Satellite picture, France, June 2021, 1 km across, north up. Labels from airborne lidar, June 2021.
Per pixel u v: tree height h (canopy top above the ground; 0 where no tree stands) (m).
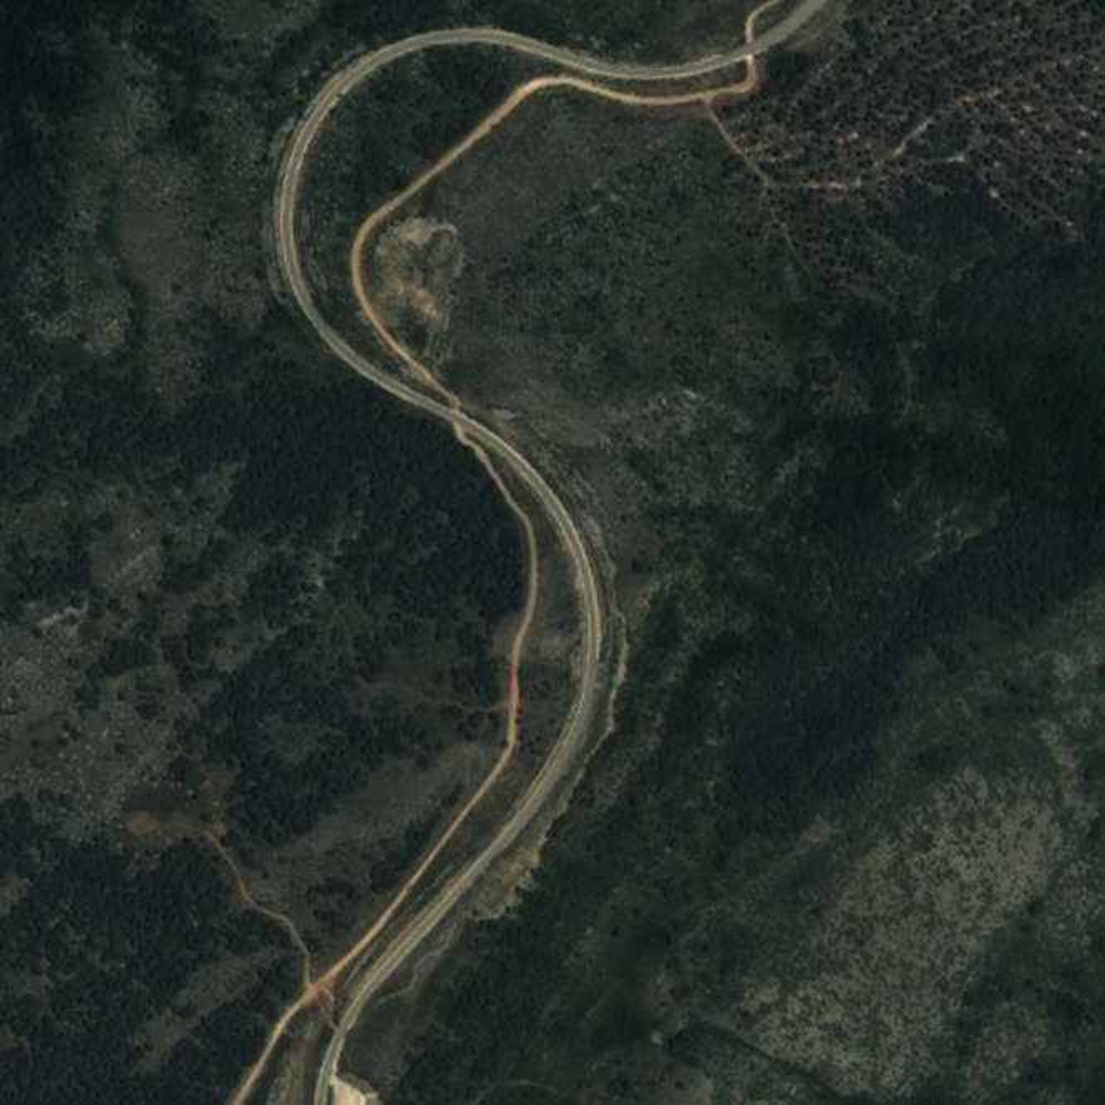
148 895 9
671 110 0
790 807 8
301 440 9
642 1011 0
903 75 11
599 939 0
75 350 0
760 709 7
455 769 0
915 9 11
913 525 7
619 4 0
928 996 0
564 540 0
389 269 0
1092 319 12
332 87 0
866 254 6
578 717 0
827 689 14
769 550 6
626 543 0
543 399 0
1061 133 15
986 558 8
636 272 0
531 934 7
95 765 0
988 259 9
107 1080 10
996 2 11
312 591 6
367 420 13
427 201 0
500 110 0
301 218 0
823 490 13
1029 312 6
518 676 0
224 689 7
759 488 6
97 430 9
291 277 0
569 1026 0
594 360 0
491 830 0
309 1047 0
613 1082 6
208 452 9
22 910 8
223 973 0
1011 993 11
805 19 0
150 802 0
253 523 7
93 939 10
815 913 9
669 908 0
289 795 8
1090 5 10
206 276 0
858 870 0
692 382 6
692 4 0
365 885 0
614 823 7
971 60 12
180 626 0
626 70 0
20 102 7
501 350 0
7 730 0
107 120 0
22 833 8
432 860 0
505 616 7
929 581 12
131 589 0
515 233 0
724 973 10
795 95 11
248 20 0
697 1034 7
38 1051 9
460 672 7
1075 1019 10
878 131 13
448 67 8
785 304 6
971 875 0
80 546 7
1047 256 6
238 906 0
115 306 0
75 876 9
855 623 8
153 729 0
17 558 8
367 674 8
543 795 0
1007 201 11
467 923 0
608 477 0
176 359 0
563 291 0
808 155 12
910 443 10
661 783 7
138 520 0
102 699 0
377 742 7
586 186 0
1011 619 8
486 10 6
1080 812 0
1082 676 0
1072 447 13
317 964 0
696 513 9
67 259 0
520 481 0
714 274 0
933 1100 8
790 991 0
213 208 0
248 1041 10
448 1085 8
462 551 7
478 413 0
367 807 0
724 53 0
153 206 0
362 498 6
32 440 9
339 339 0
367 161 8
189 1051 10
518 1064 0
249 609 6
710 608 7
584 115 0
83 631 0
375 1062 0
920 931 0
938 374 11
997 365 9
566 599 0
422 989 0
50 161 7
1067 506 12
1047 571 11
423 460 10
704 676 11
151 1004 8
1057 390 9
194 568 7
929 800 0
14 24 13
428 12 10
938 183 9
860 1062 0
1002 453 7
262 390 10
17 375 7
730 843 9
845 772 10
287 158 0
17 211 6
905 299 13
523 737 7
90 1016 7
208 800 0
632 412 0
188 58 6
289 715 7
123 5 6
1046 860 0
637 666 7
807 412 12
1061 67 12
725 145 0
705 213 0
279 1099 0
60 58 7
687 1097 0
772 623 6
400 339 0
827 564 7
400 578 7
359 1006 0
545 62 0
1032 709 7
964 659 10
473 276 0
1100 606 0
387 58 0
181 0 6
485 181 0
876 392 11
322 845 0
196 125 6
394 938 0
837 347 7
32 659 0
